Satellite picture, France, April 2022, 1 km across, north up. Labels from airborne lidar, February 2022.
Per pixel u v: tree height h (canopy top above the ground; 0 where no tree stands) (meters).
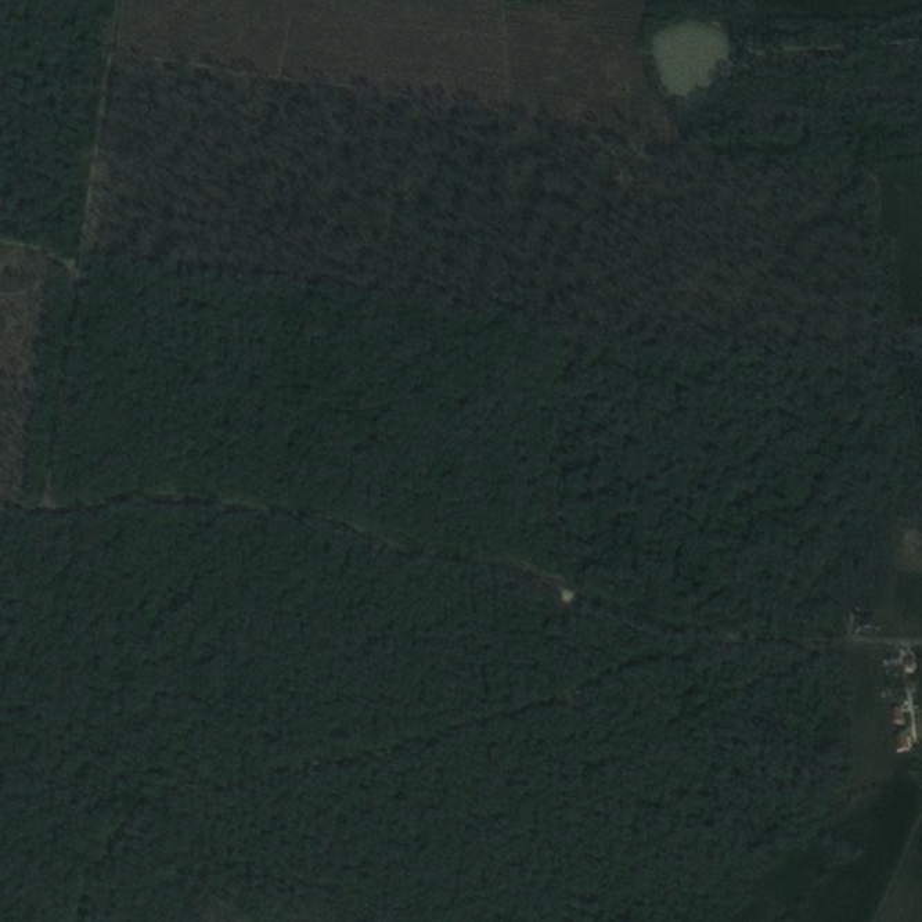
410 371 25
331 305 24
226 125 29
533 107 0
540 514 24
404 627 25
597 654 19
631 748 28
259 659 23
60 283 23
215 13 0
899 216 0
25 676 31
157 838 25
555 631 24
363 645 27
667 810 27
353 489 25
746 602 28
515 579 22
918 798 0
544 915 26
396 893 19
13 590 25
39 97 29
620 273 30
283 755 29
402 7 0
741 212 27
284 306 21
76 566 19
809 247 28
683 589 22
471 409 27
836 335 26
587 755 27
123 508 25
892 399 19
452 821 28
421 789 21
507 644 25
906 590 0
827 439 17
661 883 23
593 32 0
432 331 22
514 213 29
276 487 25
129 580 26
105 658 28
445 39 0
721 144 24
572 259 26
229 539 27
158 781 28
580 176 30
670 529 24
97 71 23
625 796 31
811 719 19
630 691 27
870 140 14
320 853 26
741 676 28
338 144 31
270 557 25
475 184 31
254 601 24
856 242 29
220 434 28
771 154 6
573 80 0
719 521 26
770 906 0
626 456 26
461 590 27
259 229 27
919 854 0
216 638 29
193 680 22
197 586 23
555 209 32
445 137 30
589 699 24
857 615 8
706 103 17
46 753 28
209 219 29
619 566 26
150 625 18
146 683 25
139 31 0
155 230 29
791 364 22
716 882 19
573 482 24
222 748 29
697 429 24
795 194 31
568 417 26
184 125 27
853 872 0
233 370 23
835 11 0
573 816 30
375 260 28
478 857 28
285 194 26
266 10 0
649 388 26
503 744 27
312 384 18
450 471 25
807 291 29
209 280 27
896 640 0
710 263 30
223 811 26
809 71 13
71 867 21
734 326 28
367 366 21
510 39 0
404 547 0
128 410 24
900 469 23
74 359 22
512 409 28
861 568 18
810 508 23
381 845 30
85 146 16
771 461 20
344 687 26
